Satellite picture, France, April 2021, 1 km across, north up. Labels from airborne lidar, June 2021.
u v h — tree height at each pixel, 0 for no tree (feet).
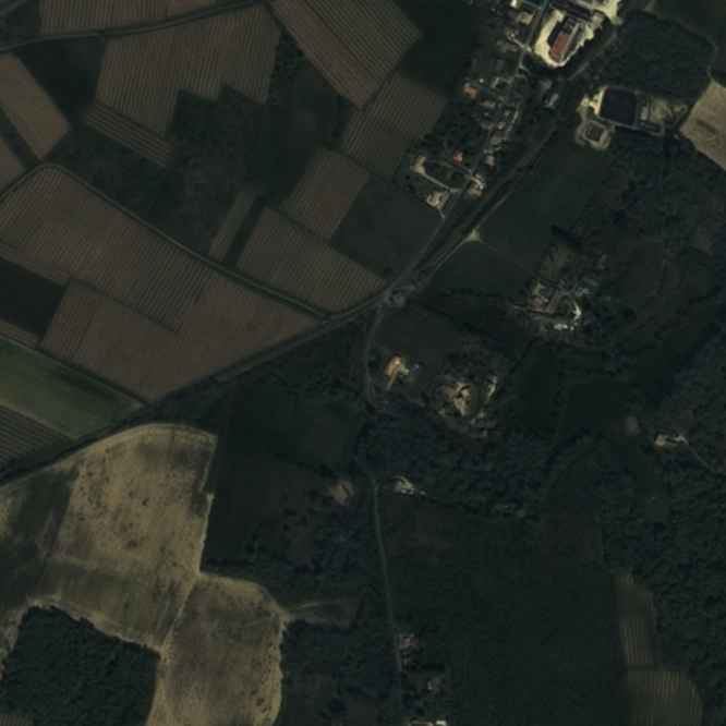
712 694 44
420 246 0
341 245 0
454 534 34
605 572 36
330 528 65
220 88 0
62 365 0
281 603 47
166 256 0
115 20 0
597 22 0
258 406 0
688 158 96
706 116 0
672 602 52
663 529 46
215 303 0
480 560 35
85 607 0
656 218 54
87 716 49
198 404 50
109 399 0
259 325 0
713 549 51
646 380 0
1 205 0
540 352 23
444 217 0
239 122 0
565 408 23
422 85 0
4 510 0
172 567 0
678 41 57
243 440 0
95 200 0
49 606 0
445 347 0
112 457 0
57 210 0
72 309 0
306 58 45
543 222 0
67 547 0
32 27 0
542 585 27
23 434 0
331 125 0
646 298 0
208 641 0
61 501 0
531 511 28
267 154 0
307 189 0
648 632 0
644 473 0
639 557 69
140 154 0
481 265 0
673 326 44
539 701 40
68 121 0
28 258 0
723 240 19
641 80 40
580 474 29
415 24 0
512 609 24
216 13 0
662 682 0
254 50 0
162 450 0
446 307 0
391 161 0
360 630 59
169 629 0
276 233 0
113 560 0
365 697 54
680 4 0
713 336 48
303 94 0
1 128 0
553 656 36
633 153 19
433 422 26
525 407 0
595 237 21
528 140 0
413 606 27
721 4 0
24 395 0
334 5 0
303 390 42
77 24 0
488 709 30
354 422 0
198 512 0
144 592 0
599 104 0
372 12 0
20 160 0
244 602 0
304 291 0
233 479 0
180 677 0
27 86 0
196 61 0
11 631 0
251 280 0
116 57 0
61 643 60
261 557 51
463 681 33
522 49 0
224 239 0
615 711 39
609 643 39
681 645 71
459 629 30
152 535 0
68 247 0
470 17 0
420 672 36
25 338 0
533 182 0
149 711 0
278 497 0
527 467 20
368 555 67
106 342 0
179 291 0
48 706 62
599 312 31
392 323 0
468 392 0
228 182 0
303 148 0
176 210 0
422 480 46
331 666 52
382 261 0
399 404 67
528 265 0
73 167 0
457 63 0
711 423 52
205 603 0
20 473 29
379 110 0
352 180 0
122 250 0
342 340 21
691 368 84
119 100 0
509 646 42
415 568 36
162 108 0
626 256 0
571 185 0
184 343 0
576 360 28
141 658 53
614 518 58
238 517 0
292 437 0
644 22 63
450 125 22
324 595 27
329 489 0
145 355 0
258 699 0
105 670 43
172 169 0
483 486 65
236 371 0
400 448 54
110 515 0
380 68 0
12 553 0
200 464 0
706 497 68
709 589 67
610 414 0
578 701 31
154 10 0
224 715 0
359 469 47
